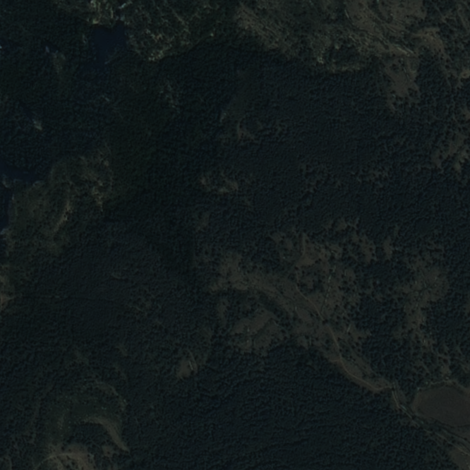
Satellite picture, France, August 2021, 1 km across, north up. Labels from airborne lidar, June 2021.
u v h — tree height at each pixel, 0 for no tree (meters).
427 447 10
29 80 10
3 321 6
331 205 12
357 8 0
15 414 7
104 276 10
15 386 11
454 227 12
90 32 8
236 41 10
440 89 11
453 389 0
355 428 10
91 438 9
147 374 12
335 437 13
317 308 0
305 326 0
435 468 8
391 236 12
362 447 11
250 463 10
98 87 7
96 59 6
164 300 8
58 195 8
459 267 11
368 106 13
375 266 15
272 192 18
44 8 10
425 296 0
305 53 10
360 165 15
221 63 8
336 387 13
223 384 10
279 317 9
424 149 10
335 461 12
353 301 0
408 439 13
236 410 15
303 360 10
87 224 6
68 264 10
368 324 8
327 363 12
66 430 0
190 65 11
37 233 9
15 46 12
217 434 11
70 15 8
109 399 8
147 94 12
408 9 0
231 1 12
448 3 6
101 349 9
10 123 9
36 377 7
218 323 6
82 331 10
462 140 0
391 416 9
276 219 16
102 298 10
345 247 7
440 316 10
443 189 16
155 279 10
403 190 17
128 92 9
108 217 8
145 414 7
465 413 0
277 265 11
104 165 10
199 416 13
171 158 12
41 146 8
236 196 12
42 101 7
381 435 10
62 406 0
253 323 0
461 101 8
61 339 8
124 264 11
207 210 12
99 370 9
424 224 18
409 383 8
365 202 15
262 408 13
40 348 7
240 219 11
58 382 7
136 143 12
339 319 10
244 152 16
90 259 15
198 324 13
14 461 11
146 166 13
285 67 19
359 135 10
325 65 9
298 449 17
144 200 12
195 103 15
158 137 13
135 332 10
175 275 18
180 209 15
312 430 15
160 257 7
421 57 7
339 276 0
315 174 12
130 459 14
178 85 6
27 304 7
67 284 6
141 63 6
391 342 7
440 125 11
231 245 8
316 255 0
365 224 12
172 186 10
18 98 7
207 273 8
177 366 12
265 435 18
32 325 6
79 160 7
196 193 9
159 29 8
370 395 10
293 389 9
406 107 9
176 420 13
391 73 0
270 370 10
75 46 11
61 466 0
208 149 9
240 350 8
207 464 9
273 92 13
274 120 12
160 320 12
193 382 13
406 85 0
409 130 8
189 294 13
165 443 14
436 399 0
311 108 13
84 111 6
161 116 12
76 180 9
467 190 14
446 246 8
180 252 13
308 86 15
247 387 16
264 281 0
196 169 7
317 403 16
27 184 6
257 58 9
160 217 15
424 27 6
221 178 9
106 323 12
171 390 10
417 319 0
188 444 11
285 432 14
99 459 8
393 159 11
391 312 7
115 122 8
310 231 11
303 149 12
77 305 9
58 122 9
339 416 12
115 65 6
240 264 6
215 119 6
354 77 13
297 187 13
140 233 12
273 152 14
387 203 16
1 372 10
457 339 10
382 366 16
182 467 9
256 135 8
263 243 11
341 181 10
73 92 6
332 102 12
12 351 11
